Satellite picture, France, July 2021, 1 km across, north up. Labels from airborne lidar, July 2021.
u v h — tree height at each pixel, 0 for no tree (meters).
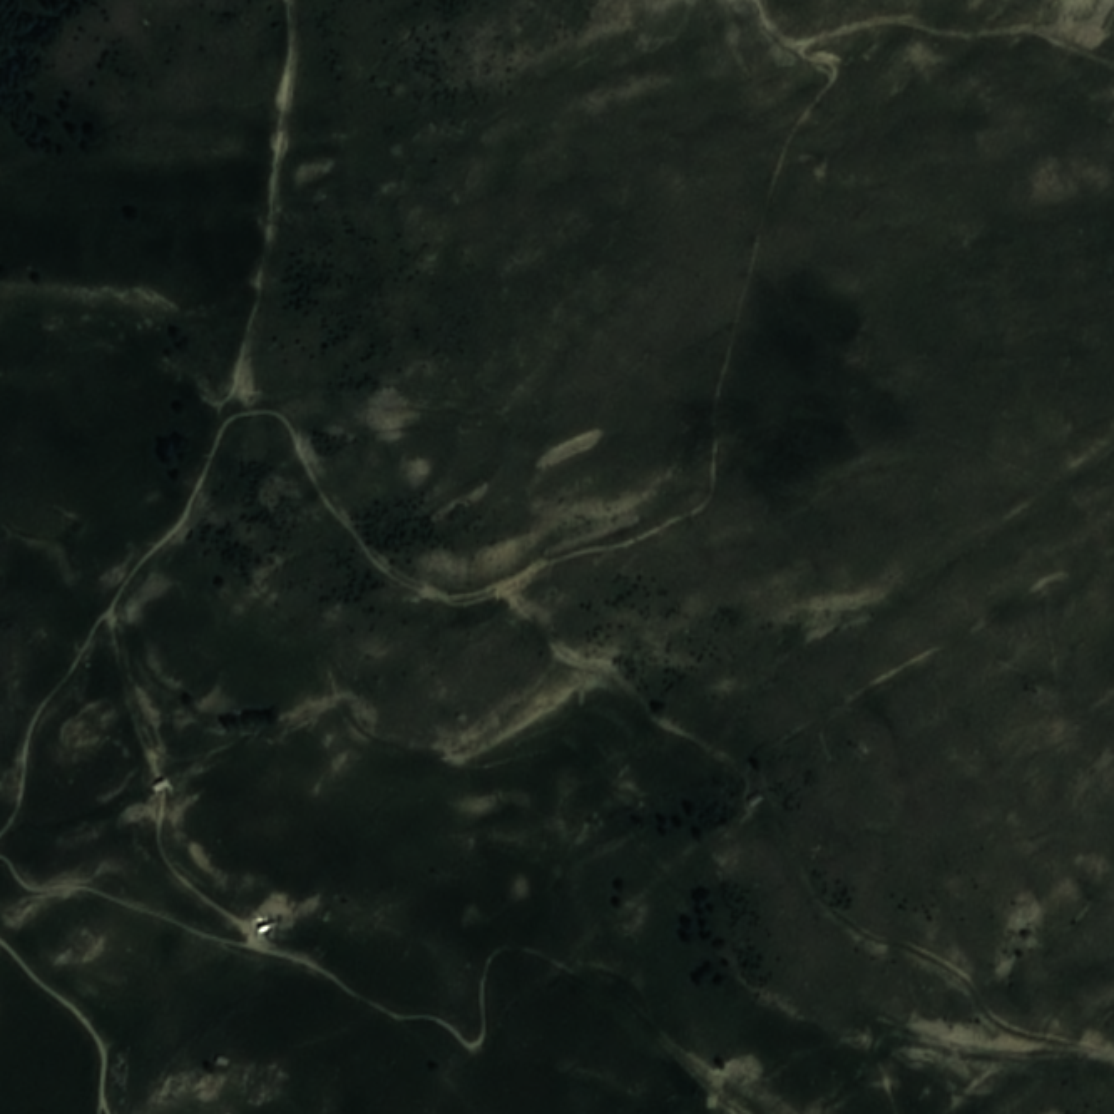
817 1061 0
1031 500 0
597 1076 0
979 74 0
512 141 0
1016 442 0
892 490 0
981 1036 0
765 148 0
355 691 0
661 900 0
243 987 0
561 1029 0
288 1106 0
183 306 0
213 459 0
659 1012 0
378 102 0
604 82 0
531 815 0
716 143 0
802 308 0
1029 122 0
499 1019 0
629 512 0
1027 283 0
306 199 0
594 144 0
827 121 0
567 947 0
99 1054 0
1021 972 0
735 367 0
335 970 0
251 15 0
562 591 0
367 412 0
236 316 0
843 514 0
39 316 0
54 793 0
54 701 0
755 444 0
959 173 0
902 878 0
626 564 0
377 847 0
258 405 0
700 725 0
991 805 0
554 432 0
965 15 0
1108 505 0
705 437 0
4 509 0
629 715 0
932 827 0
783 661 0
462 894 0
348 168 0
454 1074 0
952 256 0
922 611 0
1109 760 0
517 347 0
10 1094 0
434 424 0
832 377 0
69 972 0
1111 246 0
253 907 0
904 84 0
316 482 0
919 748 0
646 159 0
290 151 0
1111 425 0
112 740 0
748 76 0
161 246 0
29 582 0
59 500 0
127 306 0
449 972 0
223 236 0
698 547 0
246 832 0
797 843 0
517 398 0
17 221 0
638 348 0
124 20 0
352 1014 0
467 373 0
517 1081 0
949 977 0
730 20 0
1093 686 0
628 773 0
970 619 0
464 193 0
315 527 0
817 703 0
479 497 0
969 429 0
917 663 0
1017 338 0
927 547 0
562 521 0
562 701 0
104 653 0
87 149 14
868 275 0
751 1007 0
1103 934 0
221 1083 0
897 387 0
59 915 0
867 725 0
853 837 0
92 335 0
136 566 0
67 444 0
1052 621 0
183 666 0
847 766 0
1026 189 0
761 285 0
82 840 0
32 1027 0
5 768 0
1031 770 0
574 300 0
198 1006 0
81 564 0
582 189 0
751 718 0
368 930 0
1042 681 0
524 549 0
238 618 0
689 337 0
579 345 0
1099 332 0
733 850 0
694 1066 0
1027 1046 0
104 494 0
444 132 0
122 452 0
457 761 0
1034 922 0
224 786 0
